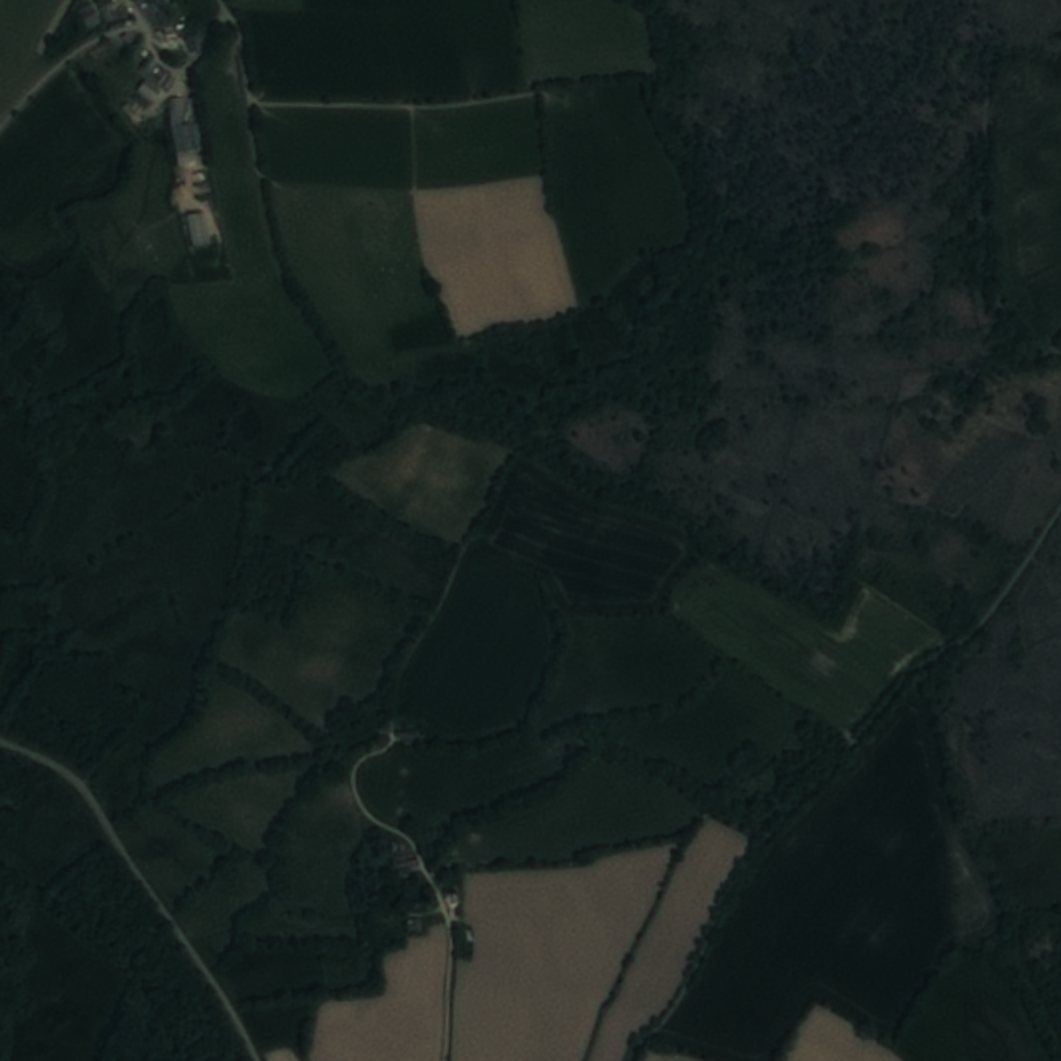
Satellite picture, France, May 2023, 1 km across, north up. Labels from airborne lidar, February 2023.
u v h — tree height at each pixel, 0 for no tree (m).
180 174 0
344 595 0
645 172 0
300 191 0
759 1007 0
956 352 0
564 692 0
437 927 0
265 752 0
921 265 0
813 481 0
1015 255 0
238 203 0
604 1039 0
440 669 0
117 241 0
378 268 0
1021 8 0
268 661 0
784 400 9
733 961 0
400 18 0
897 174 15
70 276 0
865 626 0
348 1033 0
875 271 0
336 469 8
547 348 6
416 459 0
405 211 0
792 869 0
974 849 6
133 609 0
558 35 0
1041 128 0
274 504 0
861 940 0
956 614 9
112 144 0
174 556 0
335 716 11
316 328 10
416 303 0
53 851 0
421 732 6
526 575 0
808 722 7
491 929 0
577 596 0
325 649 0
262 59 0
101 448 0
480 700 0
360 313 0
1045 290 0
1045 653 0
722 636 0
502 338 11
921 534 8
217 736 0
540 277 0
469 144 0
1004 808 0
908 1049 0
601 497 15
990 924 0
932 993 10
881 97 13
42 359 8
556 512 0
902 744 0
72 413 16
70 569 0
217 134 0
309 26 0
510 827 0
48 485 7
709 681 11
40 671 10
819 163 13
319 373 0
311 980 0
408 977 0
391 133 0
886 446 0
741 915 0
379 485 0
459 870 8
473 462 0
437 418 19
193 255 0
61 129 0
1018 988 8
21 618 0
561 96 0
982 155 11
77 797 0
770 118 12
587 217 0
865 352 0
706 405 9
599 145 0
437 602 0
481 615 0
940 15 17
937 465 0
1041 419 8
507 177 0
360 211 0
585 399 15
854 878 0
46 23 0
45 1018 0
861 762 0
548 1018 0
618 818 0
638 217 0
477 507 0
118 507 0
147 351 0
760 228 18
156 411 18
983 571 0
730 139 10
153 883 0
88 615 0
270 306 0
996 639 0
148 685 0
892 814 0
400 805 0
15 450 0
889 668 0
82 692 11
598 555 0
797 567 9
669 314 18
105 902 11
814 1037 0
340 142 0
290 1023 0
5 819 16
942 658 10
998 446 0
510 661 0
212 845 15
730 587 0
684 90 6
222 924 0
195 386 16
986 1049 0
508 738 11
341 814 0
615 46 0
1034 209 0
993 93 10
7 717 9
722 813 18
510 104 0
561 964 0
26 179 0
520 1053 0
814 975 0
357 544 0
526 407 16
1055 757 0
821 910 0
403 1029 0
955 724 0
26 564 6
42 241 0
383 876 12
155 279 7
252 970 0
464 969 0
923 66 16
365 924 15
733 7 0
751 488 0
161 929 19
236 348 0
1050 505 0
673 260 11
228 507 0
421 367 0
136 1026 19
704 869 0
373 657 0
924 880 0
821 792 14
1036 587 0
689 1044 0
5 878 15
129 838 0
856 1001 0
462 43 0
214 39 18
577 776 6
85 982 0
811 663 0
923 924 0
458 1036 0
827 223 12
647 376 16
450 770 0
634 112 0
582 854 10
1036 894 0
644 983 0
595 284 0
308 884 0
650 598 0
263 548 16
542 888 0
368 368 0
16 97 0
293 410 0
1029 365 12
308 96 0
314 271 0
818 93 16
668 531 0
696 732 0
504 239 0
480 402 12
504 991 0
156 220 0
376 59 0
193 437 0
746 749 14
